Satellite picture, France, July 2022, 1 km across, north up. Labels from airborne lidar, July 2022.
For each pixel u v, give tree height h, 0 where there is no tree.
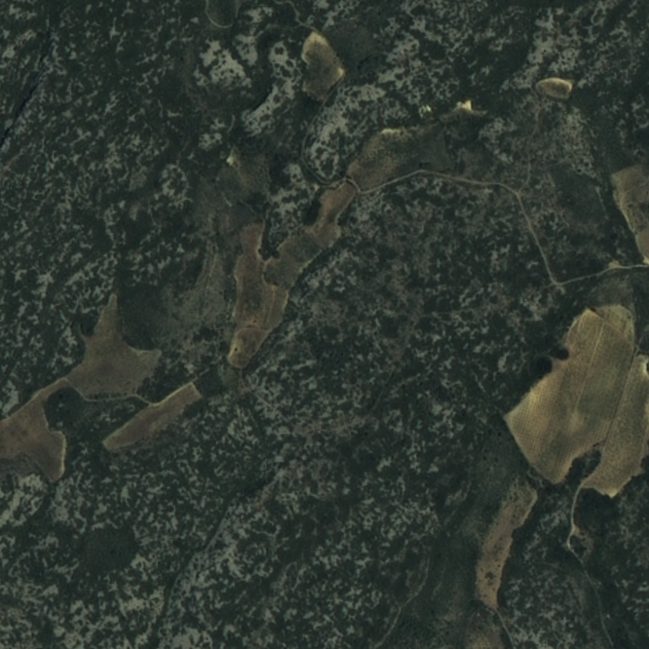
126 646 0
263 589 0
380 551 0
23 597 0
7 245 0
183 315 0
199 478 0
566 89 0
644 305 0
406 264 0
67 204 0
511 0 0
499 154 0
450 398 8
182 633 0
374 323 0
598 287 0
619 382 0
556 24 0
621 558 0
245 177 0
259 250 7
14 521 0
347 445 0
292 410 0
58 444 0
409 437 0
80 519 0
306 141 0
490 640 0
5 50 0
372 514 0
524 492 0
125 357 0
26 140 0
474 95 0
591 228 0
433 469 0
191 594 0
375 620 0
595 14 0
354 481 0
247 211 0
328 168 0
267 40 6
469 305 0
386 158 0
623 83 0
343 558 0
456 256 0
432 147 0
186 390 0
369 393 0
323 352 8
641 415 0
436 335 0
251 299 0
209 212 0
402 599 0
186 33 0
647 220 0
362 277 0
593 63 0
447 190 0
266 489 0
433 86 0
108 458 0
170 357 0
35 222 0
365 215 0
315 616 0
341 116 0
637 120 0
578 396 0
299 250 0
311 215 9
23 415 0
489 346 0
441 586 0
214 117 0
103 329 0
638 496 0
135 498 0
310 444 0
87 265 0
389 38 0
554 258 0
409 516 0
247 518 0
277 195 0
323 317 0
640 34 0
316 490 0
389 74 0
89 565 0
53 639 0
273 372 0
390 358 0
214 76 0
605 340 0
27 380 0
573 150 0
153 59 0
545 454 0
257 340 0
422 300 0
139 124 0
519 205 0
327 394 0
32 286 0
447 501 0
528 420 0
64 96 0
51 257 0
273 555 0
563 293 0
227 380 0
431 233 0
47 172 0
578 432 0
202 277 0
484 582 0
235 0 0
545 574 0
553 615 0
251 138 10
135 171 0
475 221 0
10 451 0
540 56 0
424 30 0
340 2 0
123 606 0
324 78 0
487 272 0
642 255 0
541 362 9
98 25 0
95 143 0
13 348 0
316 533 0
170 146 0
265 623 0
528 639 0
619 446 0
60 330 0
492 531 0
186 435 0
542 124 0
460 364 0
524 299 0
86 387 0
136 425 0
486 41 0
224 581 0
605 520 6
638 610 0
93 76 0
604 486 0
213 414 0
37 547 0
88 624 0
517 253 0
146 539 0
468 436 0
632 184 0
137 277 0
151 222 0
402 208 0
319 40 0
